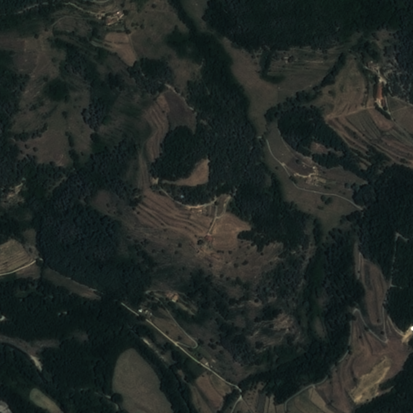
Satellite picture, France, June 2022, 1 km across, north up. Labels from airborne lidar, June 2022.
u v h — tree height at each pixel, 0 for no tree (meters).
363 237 16
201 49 11
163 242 0
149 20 0
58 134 0
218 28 8
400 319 9
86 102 0
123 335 19
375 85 7
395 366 0
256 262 0
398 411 21
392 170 12
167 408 0
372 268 0
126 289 10
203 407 0
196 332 0
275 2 17
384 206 13
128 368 0
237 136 10
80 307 19
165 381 16
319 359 10
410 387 16
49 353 19
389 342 0
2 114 10
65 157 0
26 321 23
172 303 13
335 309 15
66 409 27
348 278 13
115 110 0
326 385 0
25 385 6
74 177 25
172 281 0
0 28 11
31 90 0
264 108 0
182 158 7
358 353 0
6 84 8
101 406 8
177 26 7
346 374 0
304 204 0
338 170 0
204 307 19
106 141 0
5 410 0
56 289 22
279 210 19
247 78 0
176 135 9
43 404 0
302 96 7
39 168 12
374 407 10
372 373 0
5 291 26
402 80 8
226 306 8
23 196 11
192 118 0
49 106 0
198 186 9
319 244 18
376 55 12
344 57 18
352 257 10
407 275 8
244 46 11
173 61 0
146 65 7
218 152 15
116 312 20
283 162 0
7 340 0
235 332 6
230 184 12
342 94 0
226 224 0
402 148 0
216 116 6
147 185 0
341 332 9
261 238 10
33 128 0
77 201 9
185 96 10
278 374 12
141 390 0
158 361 18
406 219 14
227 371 0
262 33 8
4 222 13
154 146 0
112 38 0
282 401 6
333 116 0
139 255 12
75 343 19
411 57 7
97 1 0
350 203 0
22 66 0
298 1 15
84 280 26
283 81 0
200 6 0
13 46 0
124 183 16
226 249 0
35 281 11
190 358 7
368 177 27
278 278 9
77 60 14
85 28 0
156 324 0
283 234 14
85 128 0
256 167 14
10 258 0
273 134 0
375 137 0
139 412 0
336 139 20
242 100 17
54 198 15
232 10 14
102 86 9
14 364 22
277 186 22
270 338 0
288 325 0
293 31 12
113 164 7
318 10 6
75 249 27
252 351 7
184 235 0
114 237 28
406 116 0
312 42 12
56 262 26
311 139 10
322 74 0
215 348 10
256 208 21
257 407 0
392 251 10
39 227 20
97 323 18
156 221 0
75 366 20
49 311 17
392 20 11
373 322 0
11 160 9
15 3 24
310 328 14
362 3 12
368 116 0
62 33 7
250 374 11
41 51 0
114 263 13
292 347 7
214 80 6
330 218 0
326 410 0
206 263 0
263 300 15
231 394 9
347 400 0
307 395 0
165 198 0
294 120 7
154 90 9
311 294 12
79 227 21
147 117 0
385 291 0
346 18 16
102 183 6
